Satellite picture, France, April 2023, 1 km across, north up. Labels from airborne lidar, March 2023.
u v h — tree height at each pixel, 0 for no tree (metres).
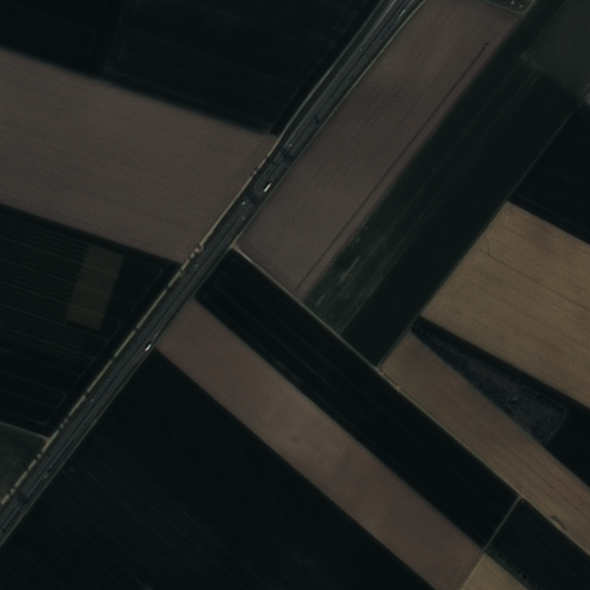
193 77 0
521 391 9
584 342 0
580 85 0
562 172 0
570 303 0
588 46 0
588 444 0
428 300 0
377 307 0
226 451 0
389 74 0
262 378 0
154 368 0
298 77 0
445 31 0
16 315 0
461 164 0
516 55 0
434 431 0
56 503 0
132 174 0
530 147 0
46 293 0
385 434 0
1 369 0
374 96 0
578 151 0
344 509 0
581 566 0
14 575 0
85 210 0
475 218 0
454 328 0
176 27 0
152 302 0
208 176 0
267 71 0
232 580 0
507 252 0
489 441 0
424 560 0
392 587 0
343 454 0
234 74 0
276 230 0
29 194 0
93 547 0
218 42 0
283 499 0
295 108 0
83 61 0
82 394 0
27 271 0
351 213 0
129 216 0
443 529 0
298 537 0
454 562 0
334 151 0
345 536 0
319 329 0
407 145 0
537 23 0
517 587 0
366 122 0
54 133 0
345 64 0
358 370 0
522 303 0
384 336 0
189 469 0
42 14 0
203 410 0
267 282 0
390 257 0
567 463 0
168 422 0
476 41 0
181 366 0
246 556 0
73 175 0
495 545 0
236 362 0
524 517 0
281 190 0
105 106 0
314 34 0
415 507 0
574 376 0
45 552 0
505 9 0
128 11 0
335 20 0
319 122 17
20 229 0
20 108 0
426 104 0
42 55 0
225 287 0
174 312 0
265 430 0
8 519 0
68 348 0
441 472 0
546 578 0
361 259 0
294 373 0
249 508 0
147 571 0
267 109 0
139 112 0
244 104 0
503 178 0
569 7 0
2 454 0
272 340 0
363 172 0
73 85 0
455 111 0
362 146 0
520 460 0
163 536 0
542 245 0
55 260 0
